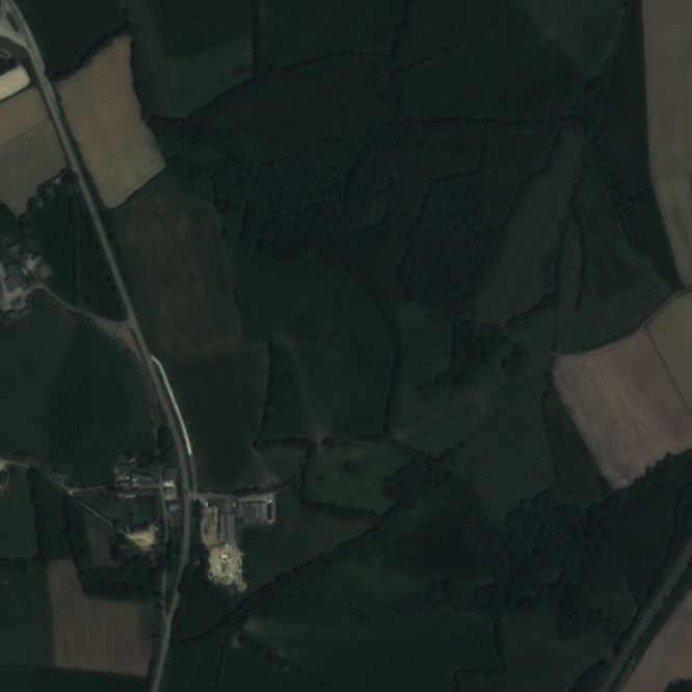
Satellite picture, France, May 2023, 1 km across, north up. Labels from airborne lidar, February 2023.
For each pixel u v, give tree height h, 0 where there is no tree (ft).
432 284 44
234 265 0
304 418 0
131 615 0
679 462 41
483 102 0
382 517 26
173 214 0
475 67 0
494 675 26
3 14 0
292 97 0
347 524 0
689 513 72
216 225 0
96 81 0
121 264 30
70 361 0
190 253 0
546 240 0
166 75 0
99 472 0
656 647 0
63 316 0
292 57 0
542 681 0
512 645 0
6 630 0
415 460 21
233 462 0
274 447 44
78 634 0
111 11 0
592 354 0
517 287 0
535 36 0
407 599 0
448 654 0
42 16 0
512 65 0
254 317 0
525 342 0
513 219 24
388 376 0
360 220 32
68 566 0
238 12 0
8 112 0
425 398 0
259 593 33
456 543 0
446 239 27
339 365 0
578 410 0
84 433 0
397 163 53
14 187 0
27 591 0
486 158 25
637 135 0
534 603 40
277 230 65
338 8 0
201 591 0
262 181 45
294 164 35
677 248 0
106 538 0
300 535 0
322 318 0
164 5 0
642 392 0
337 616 0
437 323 0
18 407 0
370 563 0
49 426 0
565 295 0
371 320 0
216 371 0
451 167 0
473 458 0
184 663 0
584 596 33
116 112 0
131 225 0
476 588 0
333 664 0
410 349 0
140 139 0
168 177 0
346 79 0
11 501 0
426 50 0
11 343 0
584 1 0
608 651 0
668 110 0
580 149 0
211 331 0
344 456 0
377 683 0
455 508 0
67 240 0
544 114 0
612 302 0
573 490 0
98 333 0
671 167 0
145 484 0
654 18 0
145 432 0
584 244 23
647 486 35
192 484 0
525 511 28
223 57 0
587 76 0
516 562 51
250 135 0
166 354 0
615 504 37
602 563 42
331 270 0
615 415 0
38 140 0
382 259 0
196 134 49
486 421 0
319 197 28
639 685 0
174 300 0
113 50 0
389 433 23
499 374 0
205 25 0
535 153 0
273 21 0
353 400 0
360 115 0
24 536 0
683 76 0
